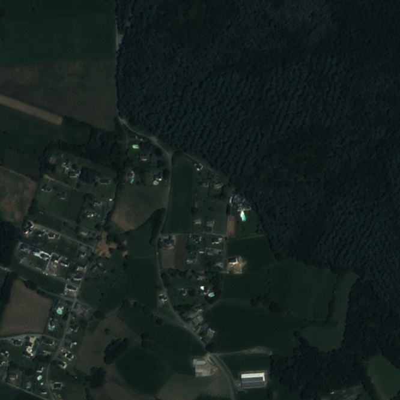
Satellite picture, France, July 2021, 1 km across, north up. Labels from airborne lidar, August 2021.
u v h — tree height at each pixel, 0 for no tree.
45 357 12
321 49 23
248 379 0
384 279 28
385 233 35
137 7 26
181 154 13
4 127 0
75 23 0
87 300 0
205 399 0
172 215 0
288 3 22
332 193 19
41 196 0
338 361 31
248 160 28
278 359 19
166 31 20
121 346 22
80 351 0
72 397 0
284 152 21
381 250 26
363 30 26
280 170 20
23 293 0
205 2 20
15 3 0
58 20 0
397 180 29
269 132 26
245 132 27
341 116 23
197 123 38
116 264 0
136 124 20
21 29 0
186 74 21
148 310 14
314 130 19
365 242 30
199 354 0
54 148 11
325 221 26
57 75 0
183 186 0
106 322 0
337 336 0
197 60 28
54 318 11
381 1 20
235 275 0
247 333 0
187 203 0
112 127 0
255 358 0
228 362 0
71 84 0
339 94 29
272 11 23
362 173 23
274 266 0
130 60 29
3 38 0
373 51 20
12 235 20
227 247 0
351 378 30
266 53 29
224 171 25
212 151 29
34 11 8
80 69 0
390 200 21
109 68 0
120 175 12
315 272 0
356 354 25
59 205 0
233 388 0
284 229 32
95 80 0
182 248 0
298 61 23
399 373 0
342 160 26
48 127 0
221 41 22
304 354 23
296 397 0
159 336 0
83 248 0
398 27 29
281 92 22
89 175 25
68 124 0
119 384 0
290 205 31
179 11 24
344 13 24
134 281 0
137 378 0
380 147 22
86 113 0
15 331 0
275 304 24
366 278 31
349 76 25
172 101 25
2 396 0
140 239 0
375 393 16
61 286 0
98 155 19
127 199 0
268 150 25
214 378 0
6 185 0
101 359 0
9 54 0
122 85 24
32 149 0
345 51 27
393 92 28
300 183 23
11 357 0
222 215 0
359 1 27
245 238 7
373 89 30
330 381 26
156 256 0
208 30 20
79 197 0
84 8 0
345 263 26
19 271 0
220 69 21
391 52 31
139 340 0
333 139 24
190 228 0
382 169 21
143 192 0
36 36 0
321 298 0
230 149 11
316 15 26
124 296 0
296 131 24
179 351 0
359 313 24
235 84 33
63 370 7
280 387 0
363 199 21
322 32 20
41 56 0
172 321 0
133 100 23
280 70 31
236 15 23
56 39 0
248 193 21
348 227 31
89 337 0
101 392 0
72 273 6
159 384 0
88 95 0
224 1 21
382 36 24
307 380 24
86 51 0
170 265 0
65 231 0
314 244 19
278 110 27
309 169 18
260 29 36
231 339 0
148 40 22
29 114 0
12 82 0
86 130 0
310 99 27
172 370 0
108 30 0
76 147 15
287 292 0
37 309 0
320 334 0
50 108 0
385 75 24
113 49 0
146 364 0
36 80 0
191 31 20
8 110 0
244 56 26
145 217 0
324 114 25
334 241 27
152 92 24
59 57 0
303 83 31
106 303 0
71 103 0
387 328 23
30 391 6
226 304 0
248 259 0
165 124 27
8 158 0
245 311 0
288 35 24
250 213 11
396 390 0
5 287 14
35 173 0
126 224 0
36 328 0
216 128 26
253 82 22
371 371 0
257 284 0
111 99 0
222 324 0
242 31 27
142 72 27
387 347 21
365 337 18
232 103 34
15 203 0
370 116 30
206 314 0
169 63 25
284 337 0
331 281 0
